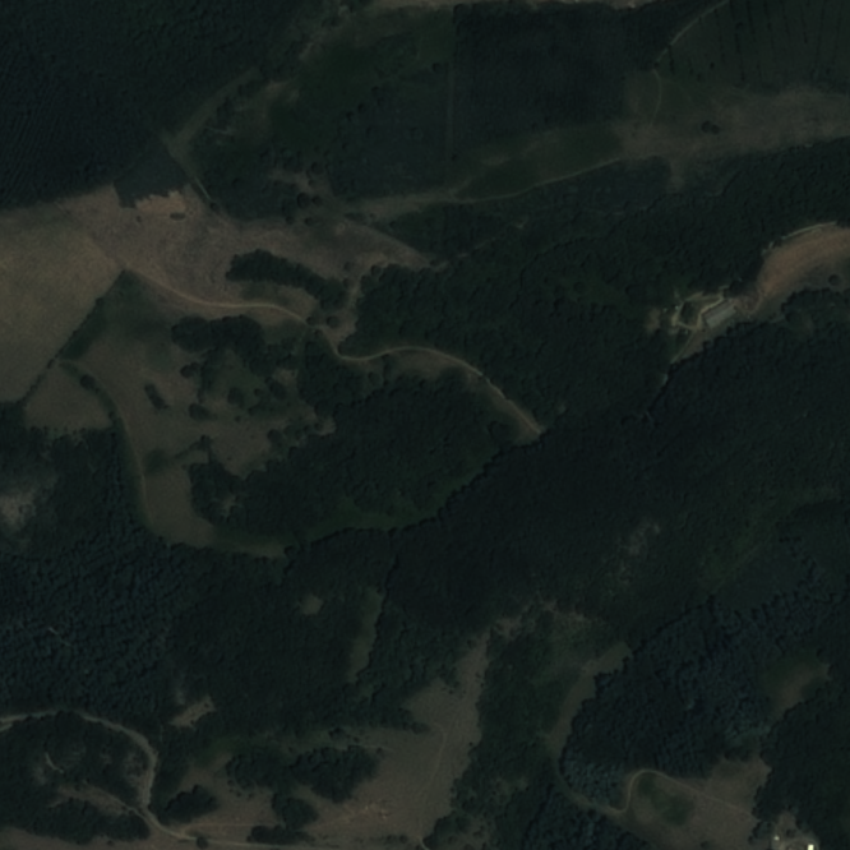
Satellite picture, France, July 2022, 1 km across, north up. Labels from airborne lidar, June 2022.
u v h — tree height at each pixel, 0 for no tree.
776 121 0
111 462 18
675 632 26
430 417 22
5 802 18
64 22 12
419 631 9
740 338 18
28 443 8
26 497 0
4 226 0
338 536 21
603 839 31
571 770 26
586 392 16
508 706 19
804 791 7
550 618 11
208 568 7
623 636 13
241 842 0
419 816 0
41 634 20
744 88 0
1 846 0
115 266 0
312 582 16
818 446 16
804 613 15
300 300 0
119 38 14
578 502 20
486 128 7
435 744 0
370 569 12
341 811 0
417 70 0
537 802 7
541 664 9
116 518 34
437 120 0
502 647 8
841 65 0
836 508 8
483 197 0
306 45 8
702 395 10
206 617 12
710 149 0
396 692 11
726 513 15
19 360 0
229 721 14
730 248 19
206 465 8
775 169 16
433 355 0
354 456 15
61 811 11
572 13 8
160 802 9
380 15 0
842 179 17
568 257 18
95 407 0
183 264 0
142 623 31
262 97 0
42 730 23
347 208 0
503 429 13
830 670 8
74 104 23
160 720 7
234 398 8
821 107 0
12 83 19
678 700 22
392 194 0
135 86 11
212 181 7
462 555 13
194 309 0
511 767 15
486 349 12
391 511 15
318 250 0
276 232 0
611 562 9
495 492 23
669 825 0
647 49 7
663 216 16
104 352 0
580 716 15
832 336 13
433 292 12
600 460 15
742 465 14
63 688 29
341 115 0
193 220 0
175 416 0
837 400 13
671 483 16
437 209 0
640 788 0
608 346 18
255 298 0
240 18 11
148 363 0
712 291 7
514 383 17
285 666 8
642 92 0
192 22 12
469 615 13
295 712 12
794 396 11
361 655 0
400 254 0
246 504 10
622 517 11
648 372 17
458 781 7
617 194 0
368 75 0
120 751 9
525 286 15
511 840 14
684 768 27
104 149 17
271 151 11
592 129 0
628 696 20
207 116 0
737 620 15
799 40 0
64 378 0
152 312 0
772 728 8
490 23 8
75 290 0
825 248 0
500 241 6
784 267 0
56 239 0
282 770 15
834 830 17
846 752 20
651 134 0
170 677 9
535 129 8
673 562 16
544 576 8
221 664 15
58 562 24
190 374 11
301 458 11
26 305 0
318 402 10
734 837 0
